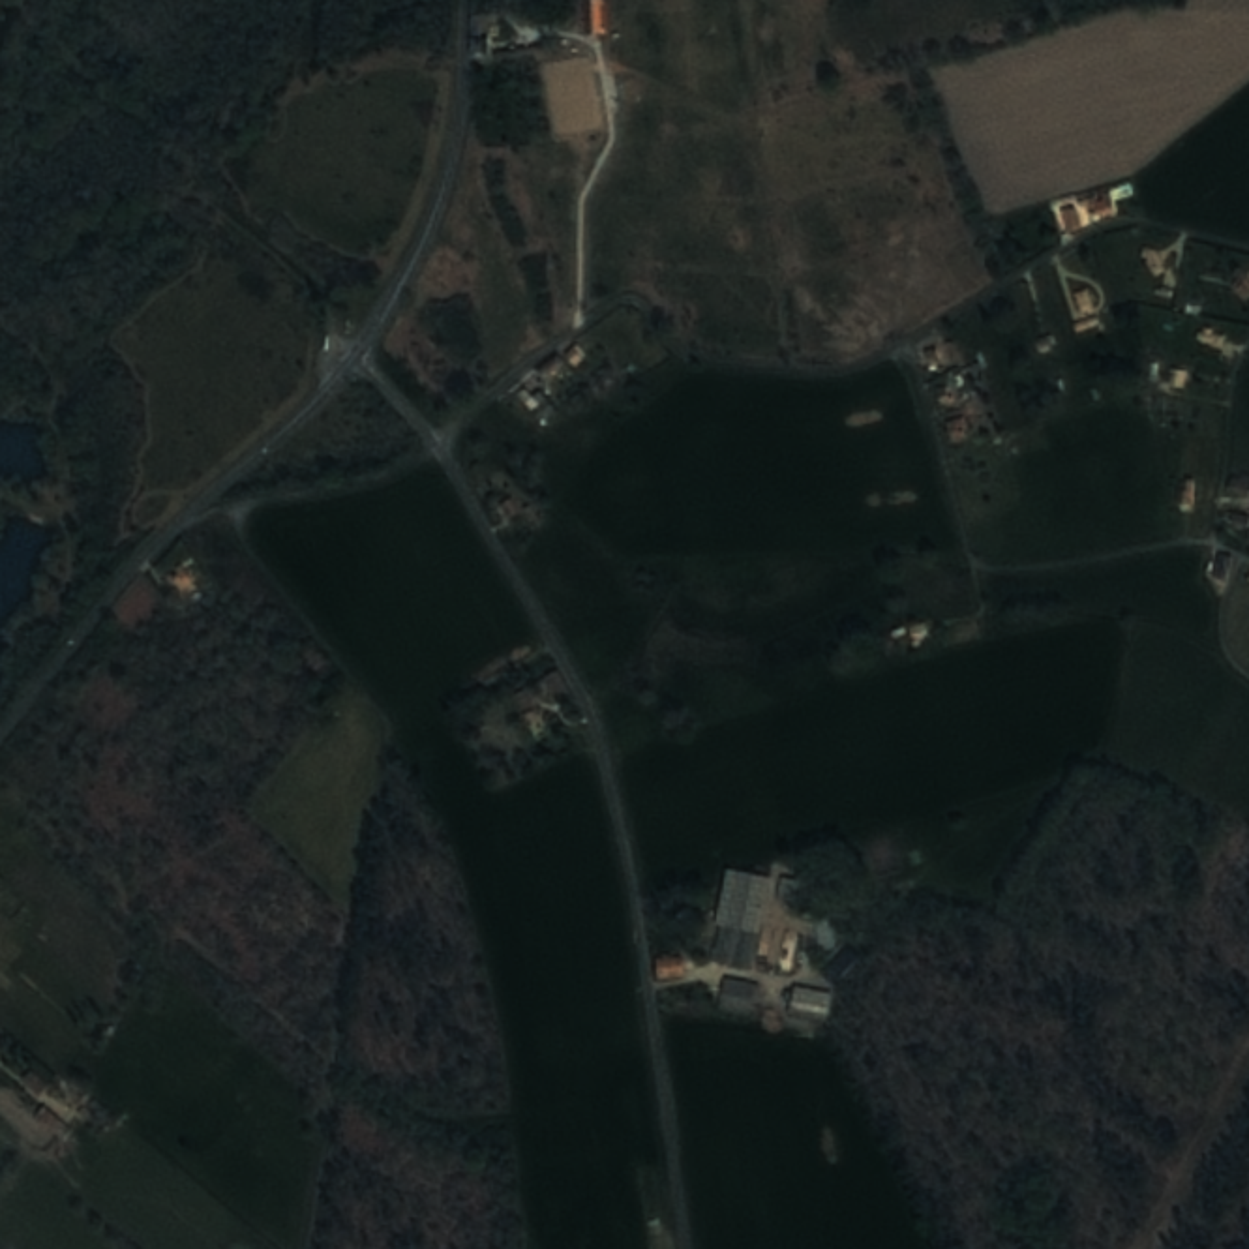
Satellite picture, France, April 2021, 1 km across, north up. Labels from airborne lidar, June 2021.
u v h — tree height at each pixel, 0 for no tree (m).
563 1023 0
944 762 0
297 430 0
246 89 23
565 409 12
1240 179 0
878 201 0
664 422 0
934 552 16
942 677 0
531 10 19
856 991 10
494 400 0
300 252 7
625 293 0
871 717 0
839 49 0
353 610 0
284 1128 0
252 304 0
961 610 0
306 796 0
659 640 0
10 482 7
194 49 19
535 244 0
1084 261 8
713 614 0
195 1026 0
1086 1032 23
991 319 18
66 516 0
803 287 0
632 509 0
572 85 0
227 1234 0
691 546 0
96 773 18
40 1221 0
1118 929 15
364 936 21
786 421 0
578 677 0
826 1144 0
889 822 0
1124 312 11
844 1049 7
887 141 0
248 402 0
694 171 0
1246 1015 17
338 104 0
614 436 0
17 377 22
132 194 18
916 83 11
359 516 0
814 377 0
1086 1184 14
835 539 0
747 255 0
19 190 16
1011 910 17
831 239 0
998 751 0
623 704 0
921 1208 16
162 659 8
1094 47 0
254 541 0
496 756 16
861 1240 0
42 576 16
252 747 17
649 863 0
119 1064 0
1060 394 14
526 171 0
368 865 19
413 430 6
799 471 0
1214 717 0
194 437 0
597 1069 0
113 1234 12
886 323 0
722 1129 0
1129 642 0
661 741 0
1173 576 0
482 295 0
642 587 5
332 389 0
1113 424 0
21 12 8
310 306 10
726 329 0
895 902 15
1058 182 0
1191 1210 8
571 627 0
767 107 0
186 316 0
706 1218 0
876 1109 12
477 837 0
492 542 0
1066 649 0
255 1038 7
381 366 0
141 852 10
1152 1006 12
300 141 0
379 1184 18
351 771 0
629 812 0
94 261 22
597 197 0
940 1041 7
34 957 0
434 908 15
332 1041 8
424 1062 11
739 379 0
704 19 0
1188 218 0
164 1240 0
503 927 0
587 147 0
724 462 0
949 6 0
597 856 0
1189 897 19
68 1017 0
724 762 0
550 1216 0
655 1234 0
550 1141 0
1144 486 0
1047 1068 18
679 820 0
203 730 16
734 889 0
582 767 0
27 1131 0
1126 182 0
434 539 0
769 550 0
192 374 0
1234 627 0
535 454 12
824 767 0
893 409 0
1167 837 19
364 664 0
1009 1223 13
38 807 10
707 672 0
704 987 8
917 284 0
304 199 0
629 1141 0
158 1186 0
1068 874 18
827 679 0
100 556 11
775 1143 0
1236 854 0
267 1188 0
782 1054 0
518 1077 0
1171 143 0
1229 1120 0
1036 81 0
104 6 18
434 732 0
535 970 0
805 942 0
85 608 14
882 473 0
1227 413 0
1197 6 0
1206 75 0
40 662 13
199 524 0
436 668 0
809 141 0
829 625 0
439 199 0
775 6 0
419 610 0
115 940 9
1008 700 0
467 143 0
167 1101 0
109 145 19
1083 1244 6
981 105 0
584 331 0
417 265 0
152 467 0
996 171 0
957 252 0
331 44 22
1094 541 0
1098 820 13
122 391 15
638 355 0
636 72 0
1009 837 0
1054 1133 17
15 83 24
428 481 0
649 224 0
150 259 15
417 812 18
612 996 0
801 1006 0
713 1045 0
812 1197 0
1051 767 0
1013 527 0
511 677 12
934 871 0
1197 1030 13
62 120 27
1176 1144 23
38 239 18
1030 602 10
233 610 8
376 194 0
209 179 21
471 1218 8
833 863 21
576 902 0
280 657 19
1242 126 0
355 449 6
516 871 0
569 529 0
